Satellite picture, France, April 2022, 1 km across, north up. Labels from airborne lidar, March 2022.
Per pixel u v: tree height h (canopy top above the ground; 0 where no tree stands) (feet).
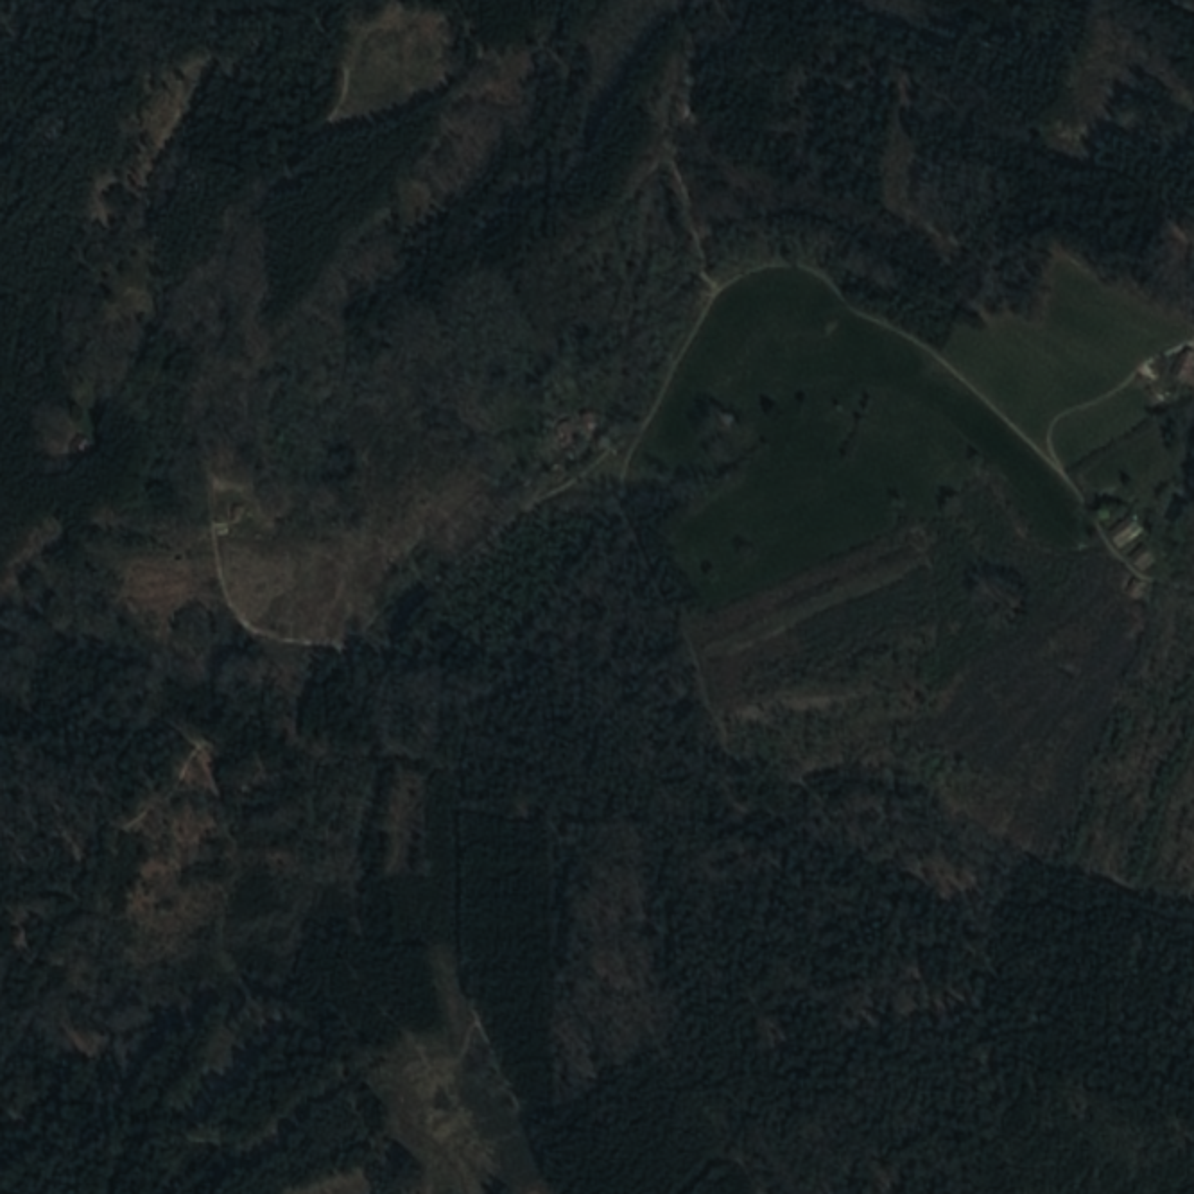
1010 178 84
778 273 0
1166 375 21
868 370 0
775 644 0
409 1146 0
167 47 79
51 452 72
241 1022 0
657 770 93
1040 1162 36
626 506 59
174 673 92
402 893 33
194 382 74
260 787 79
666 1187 83
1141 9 98
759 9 70
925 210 83
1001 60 96
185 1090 99
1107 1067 55
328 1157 81
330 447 46
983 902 54
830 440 0
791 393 0
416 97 0
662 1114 77
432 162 100
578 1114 74
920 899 36
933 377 0
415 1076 0
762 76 76
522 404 72
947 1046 72
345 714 60
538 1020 63
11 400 70
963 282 37
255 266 110
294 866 26
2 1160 62
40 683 81
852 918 75
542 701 72
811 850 71
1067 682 23
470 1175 0
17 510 84
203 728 50
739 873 83
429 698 98
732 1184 42
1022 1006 73
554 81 94
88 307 93
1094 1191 39
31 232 77
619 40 42
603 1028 65
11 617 109
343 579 0
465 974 44
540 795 62
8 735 31
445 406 68
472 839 58
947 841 68
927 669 39
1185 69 99
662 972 54
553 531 19
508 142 97
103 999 73
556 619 82
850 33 110
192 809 36
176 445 40
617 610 34
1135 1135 47
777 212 34
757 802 37
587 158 72
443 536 0
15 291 89
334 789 39
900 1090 85
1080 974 71
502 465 87
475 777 73
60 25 103
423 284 65
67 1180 91
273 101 75
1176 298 80
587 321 19
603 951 92
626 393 0
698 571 0
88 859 57
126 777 70
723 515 0
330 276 93
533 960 72
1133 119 93
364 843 27
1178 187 98
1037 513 0
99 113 100
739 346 0
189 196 108
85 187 89
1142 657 25
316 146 70
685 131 28
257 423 73
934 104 62
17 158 88
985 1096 66
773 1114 84
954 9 32
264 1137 86
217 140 101
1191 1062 56
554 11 90
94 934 89
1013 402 0
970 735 0
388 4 91
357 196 109
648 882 73
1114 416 0
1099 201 65
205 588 61
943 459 0
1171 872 20
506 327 74
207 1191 26
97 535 61
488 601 26
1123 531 0
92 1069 32
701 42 53
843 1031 69
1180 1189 25
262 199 96
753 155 52
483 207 95
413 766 35
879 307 74
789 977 73
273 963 28
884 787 34
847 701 0
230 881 27
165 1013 35
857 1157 69
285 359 60
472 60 44
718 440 68
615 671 65
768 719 46
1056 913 62
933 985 70
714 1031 79
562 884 43
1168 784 41
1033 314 80
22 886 62
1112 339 0
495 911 71
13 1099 112
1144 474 0
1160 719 20
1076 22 104
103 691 55
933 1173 59
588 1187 114
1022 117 108
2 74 94
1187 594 22
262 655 23
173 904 44
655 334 46
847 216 36
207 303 100
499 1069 79
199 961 25
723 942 83
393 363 72
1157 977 67
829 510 0
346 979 64
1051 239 109
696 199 38
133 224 92
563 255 22
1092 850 24
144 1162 68
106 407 63
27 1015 94
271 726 74
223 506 0
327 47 76
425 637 69
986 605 93
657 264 35
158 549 62
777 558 0
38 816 79
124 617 39
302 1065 82
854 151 79
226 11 70
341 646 0
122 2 79
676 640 54
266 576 0
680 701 91
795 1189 79
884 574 0
